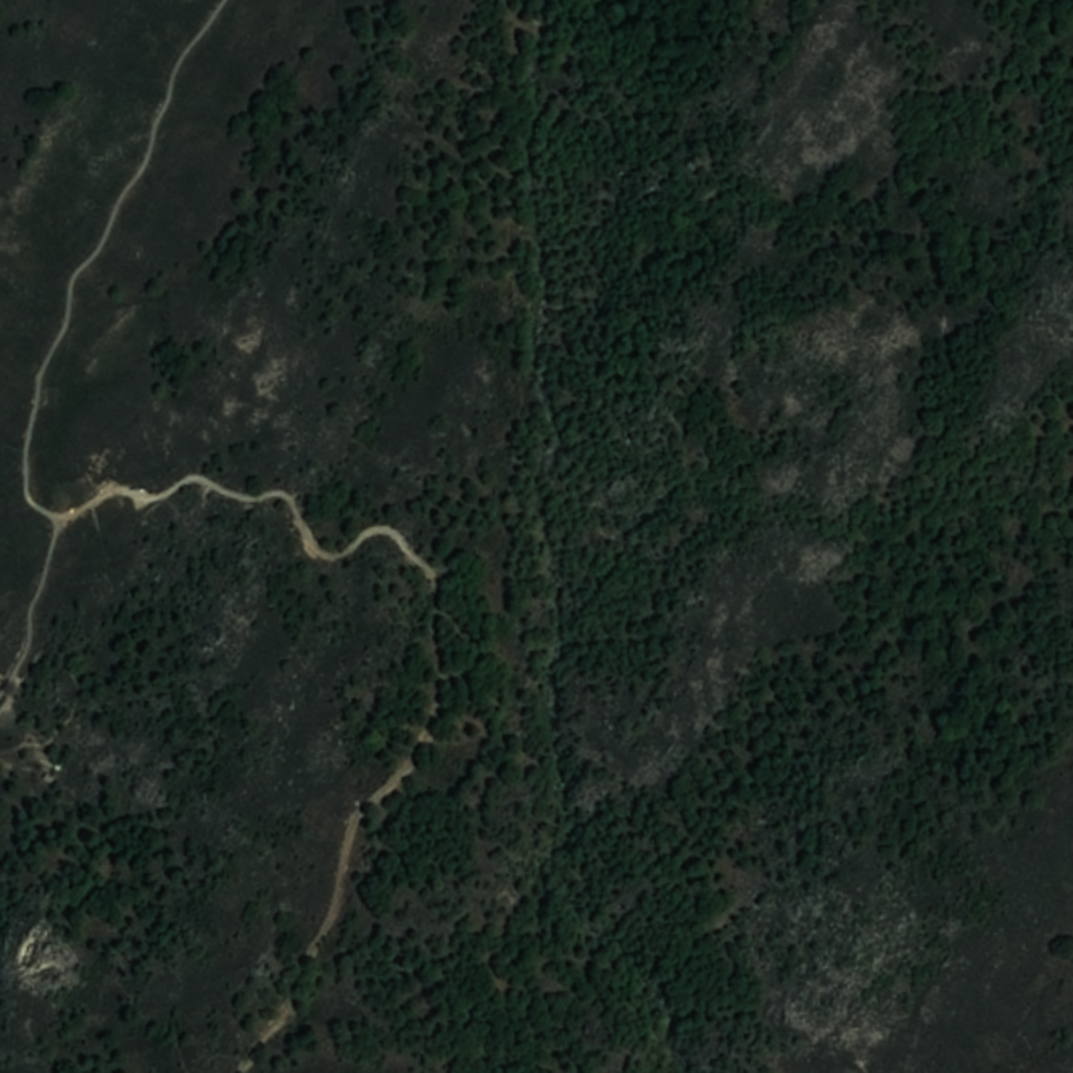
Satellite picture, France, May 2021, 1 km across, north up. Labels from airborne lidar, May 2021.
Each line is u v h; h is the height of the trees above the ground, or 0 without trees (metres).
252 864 0
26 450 0
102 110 0
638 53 18
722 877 11
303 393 0
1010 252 18
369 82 10
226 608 0
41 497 0
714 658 0
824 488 0
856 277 13
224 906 0
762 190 15
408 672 20
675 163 14
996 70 15
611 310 20
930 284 5
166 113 0
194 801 12
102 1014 0
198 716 7
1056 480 14
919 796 22
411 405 0
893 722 14
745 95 0
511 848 12
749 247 0
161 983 0
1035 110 0
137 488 0
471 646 28
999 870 0
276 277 0
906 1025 0
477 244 20
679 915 13
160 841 19
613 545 12
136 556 0
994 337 15
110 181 0
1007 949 0
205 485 0
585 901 17
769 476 0
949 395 6
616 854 12
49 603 0
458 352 0
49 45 0
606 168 18
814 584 0
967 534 12
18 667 0
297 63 0
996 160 9
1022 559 12
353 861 0
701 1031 9
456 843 14
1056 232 12
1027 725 16
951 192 22
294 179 16
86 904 25
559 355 19
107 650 0
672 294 14
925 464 14
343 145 8
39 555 0
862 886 0
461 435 0
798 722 18
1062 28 23
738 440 20
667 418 7
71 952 0
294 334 0
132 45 0
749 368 0
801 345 0
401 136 0
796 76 0
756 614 0
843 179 22
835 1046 0
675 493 12
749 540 10
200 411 0
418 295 16
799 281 13
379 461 0
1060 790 0
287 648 0
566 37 17
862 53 0
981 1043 0
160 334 0
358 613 0
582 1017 14
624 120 11
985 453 11
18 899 10
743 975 18
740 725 18
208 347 13
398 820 25
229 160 0
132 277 0
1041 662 16
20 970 0
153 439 0
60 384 0
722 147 15
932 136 22
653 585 8
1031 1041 0
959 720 23
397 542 0
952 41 0
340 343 0
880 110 0
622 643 10
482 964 14
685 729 0
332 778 0
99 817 24
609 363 21
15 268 0
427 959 15
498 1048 17
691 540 10
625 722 9
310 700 0
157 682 11
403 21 15
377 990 14
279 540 0
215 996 0
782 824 12
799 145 0
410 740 23
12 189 0
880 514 15
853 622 14
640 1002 12
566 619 12
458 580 25
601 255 14
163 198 0
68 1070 22
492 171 27
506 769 22
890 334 0
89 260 0
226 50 0
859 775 0
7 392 0
